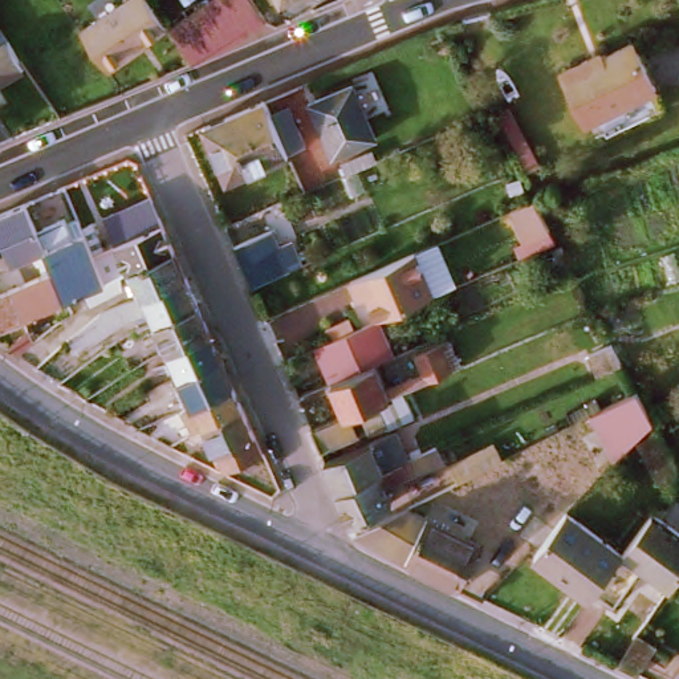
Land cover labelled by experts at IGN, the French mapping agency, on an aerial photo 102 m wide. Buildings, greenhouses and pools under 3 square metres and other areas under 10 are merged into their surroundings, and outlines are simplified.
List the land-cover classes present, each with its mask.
<instances>
[{"label":"herbaceous vegetation","instance_id":"1","mask_svg":"<svg viewBox=\"0 0 679 679\"><path fill-rule=\"evenodd\" d=\"M95 0H0V29L8 45L16 50L19 61L24 64L21 74L5 85L0 106V119L16 133L29 130L45 119H56L77 109L93 106V98L98 95L111 98L130 88H138L141 82L167 77L180 66V53L188 45L175 40L170 29L186 19L180 0H143L154 11V16L167 27V34L154 40L141 58L130 61L125 69L103 74L98 66L90 64L88 53L80 45V32L95 21L90 5ZM576 0H512L507 8L485 16L483 27H472L469 32L443 37L440 29H430L395 48L363 56L353 64L321 69L310 77V90L316 95H326V88H332L334 82L371 69L379 93L387 101V111L371 119V127L379 133L377 143L371 146V156L379 159H385L387 154L414 156L419 149L435 143L440 133H446L454 125V114L485 106L488 101L499 103V119L515 117L523 138L528 141L538 162L536 172H523L507 133L499 130L493 138L499 154L480 167V178L475 186H432L430 172H422V180L414 183L406 180L398 186H387L379 178L377 164L358 172V183L363 191H374V207H363L353 215L340 217L337 223L350 239V244L329 252L318 241V233H308L305 244V265L292 276L271 281L268 286H263L257 297L265 305V316L271 318L273 313H281L297 302L321 297L324 289L334 292L345 286L350 281L377 273L387 263L401 260L406 255L440 249L454 278V292L443 297L459 318L451 329L443 332L440 340L454 347L464 366L451 371L448 377H440L435 387L414 393L406 401L411 411H438L504 379L525 374L552 358L586 350L610 347V340H652V329H647V313L658 300H645L639 286L629 292H615L613 284H605L602 249L591 241H573L568 225L560 217H554L552 212L541 215L552 236V244L536 255L538 263L565 284L552 294H541V308H536L533 313L515 300L517 260L515 236L504 228V217L512 210H517L512 196H507V183H523V194L530 202L544 191L554 194L562 204L578 202L586 191L584 186H578L570 175L581 170L586 156L594 164H613L621 156H634L645 149L679 138V101H666L660 106V114L655 119L615 138H584L576 122L565 114V98L557 82L560 74L586 61H597L599 56H613L621 48H631L637 37H642V21L668 16V5L663 0H578L584 5V16L591 34H602V42L594 50H586L576 19L570 13V5ZM191 149L186 151V159L196 156L207 178V186L215 194L220 212L228 223H236L273 204H281L284 217L292 223L342 207L347 199L340 175L332 172H324L308 188H300L292 164L265 172L255 183L225 191L212 170V162L199 135L188 138ZM95 199H122L127 210L141 202V191L130 170L114 167L103 172V180L90 183ZM69 194L80 225L93 223L82 191L74 188ZM66 387L85 395L90 403L111 411L114 416H122V411L127 408H138L149 401V395L156 387L141 358H127L122 347L111 345V350H106L103 358H95L85 371L74 374ZM584 371V369L578 363L565 366L536 382H528L504 395L483 401L467 411H459L448 419L427 424L416 432L419 448H438L448 467L483 448H496L499 456L507 459H515L530 446L573 427L578 416H597L599 411L621 401L634 398L631 382L621 369L613 377H594L586 387L552 398L538 408L515 416L517 430H493L483 435L477 424L499 416L501 406L523 401L549 385H557ZM650 432L615 464L621 475L629 480L623 499L610 501L591 491L573 507L570 517L581 520L607 544L626 552L639 525L647 517L658 515L666 501L655 491V483H660L663 477L666 459H674L679 467V387L671 393V401L652 406L647 414ZM0 509L19 515L32 525L56 530L66 541L88 549L93 557L109 565L141 573L149 581L162 578L175 589L178 597L210 607L257 631L260 637L284 645L292 652L321 658L326 666L345 668L353 679H525L469 650L446 645L411 623H403L382 613L379 607H371L345 591H337L265 554L244 549L210 528H202L135 493L122 491L119 485L82 467L80 462L32 438L21 424L0 414ZM517 576L501 586L496 607H504L533 623H546L560 602V591L530 568H515ZM642 639L658 652H663L668 660L679 655V589L671 599H666L658 607V613L642 634ZM637 615L629 613L621 621H602L586 637L584 650L586 655L602 658L613 666L623 658L629 647ZM0 679H72L69 668L53 674L42 663L32 668L13 666L11 660L0 658Z\"/></svg>","mask_w":679,"mask_h":679},{"label":"impervious surface","instance_id":"2","mask_svg":"<svg viewBox=\"0 0 679 679\"><path fill-rule=\"evenodd\" d=\"M263 21H268L257 34L263 42H255L196 69H188L180 61V66L167 77L141 82L138 88H130L111 98L98 95L93 98V106L77 109L56 119H45L29 130L16 133L21 146L0 154V215L13 212L29 204L32 199H40L66 183H72L74 188L82 191L93 223L103 217L101 212L111 207V199H95L90 183L103 180V172L114 167L130 170L141 191L149 188L154 207L170 233V244L188 268V278L196 286L207 324H223L239 347L241 366L255 371L233 393L249 414V422L263 448L273 451V456L255 467L239 464V472L231 477L210 475L212 459L204 451L180 443V438L164 422H156L154 414L143 416L138 408H127L122 411V416H114L111 411L90 403L85 395L66 387L74 374L85 371L95 358H103L106 350H111V345L122 347L133 340H143L151 329L127 305V284L122 278H111L95 294L85 297L80 302L77 318L56 321L53 316H45L27 329L0 337V414L21 424L32 438L80 462L82 467L119 485L122 491L135 493L202 528H210L244 549L265 554L337 591H345L371 607H379L382 613L403 623H411L446 645L469 650L525 679H615L610 676L613 666L602 658L586 655L584 650L586 637L602 621L594 610H581L576 605L570 610L560 602L546 623H533L504 607H496L501 586L517 576L515 568H530L533 554L546 557L552 552V544L565 528V523L584 538H591V544H597L599 549H605L618 565H623L626 552L607 544L581 520L570 517L573 507L591 491L594 480L615 464L650 432L647 414L642 403L634 398L621 401L599 411L597 416H578L573 427L530 446L515 459H507L512 464V477H501L483 488L464 483L435 501L416 507L411 504L414 517L424 523V528L438 525L459 536L477 533L485 546H493L496 562L475 578H464L459 602L443 594L440 589H432L411 578L408 573L350 544L342 528V517L340 512H334L329 491L321 483L329 464L316 448V440L324 438L321 427H329L334 422V411L324 393V377L318 371L316 355L324 345L332 342L329 334L337 324H350V329H355L363 324L358 310L347 300L345 286L334 292L324 289L321 297L297 302L281 313H273L271 318L265 316V305L257 297L249 294L244 273L236 263V252L241 249L228 239V223L220 212L215 194L207 186V178L196 156L186 159V151L191 149L188 138L199 135H204V127L223 125L225 119L257 103L271 106L289 95H302L305 103H316V95L310 90V77L321 69L353 64L363 56L395 48L430 29H440L443 37L469 32L472 27H483L485 16L507 8L512 0H347L342 5V13L310 19L302 29L286 24L284 13L273 11V0H252ZM570 13L576 19L586 50H594L602 42V34H591L584 16V5L578 0H576L570 5ZM645 72L658 93L660 106L666 101H679V48L655 53L645 64ZM374 191H363L347 199L342 207L292 223L294 239L305 244L308 233H318L321 228L337 223L340 217L353 215L363 207H374ZM578 363L584 369L591 363V355L586 350L552 358L525 374L504 379L438 411H411L406 424L416 432L427 424L448 419L459 411H467L483 401L504 395L528 382H536L565 366ZM156 387H162L170 379L164 371L167 361L156 353H143L141 358Z\"/></svg>","mask_w":679,"mask_h":679},{"label":"building","instance_id":"3","mask_svg":"<svg viewBox=\"0 0 679 679\"><path fill-rule=\"evenodd\" d=\"M95 21L80 32V45L88 53L90 64L98 66L103 74L125 69L130 61L141 58L154 40L167 34V27L154 16V11L143 0H95L90 5ZM186 19L170 29L175 40L188 45L180 53V61L188 69H196L255 42H263L257 34L268 21H263L252 0H180ZM347 0H273V11L284 13L286 24L302 29L310 19L342 13V5ZM24 64L19 61L16 50L8 45L0 29V106L5 85L21 74ZM557 82L565 98V114L576 122L584 138H615L655 119L660 114V106L658 93L645 72V64L631 48H621L613 56H599L597 61H586L560 74ZM387 111V101L379 93L371 69L334 82L332 88H326V95H316V103H305L302 95H289L271 106L257 103L225 119L223 125L204 127V135H199L212 162V170L225 191L255 183L265 172L292 164L300 188H308L324 172H332L340 175L347 199L363 191L358 183V172L377 164L379 159L371 156V146L377 143L379 133L371 127V119ZM499 130L507 133L523 172H536L538 162L528 141L523 138L515 117L499 119ZM21 146L16 133L0 119V154ZM74 188L72 183H66L40 199H32L29 204L13 212L0 215V337L27 329L45 316H53L56 321L77 318L80 302L85 297L95 294L111 278H122L127 284V305L151 329L143 340H133L122 347L127 358H141L143 353H156L167 361L164 371L170 379L162 387H156L149 395V401L138 408L143 416L154 414L156 422H164L180 438V443L204 451L212 459L210 475L231 477L239 472V464L255 467L273 456V451L263 448L249 422V414L233 393L255 371L241 366L239 347L223 324H207L196 286L188 278V268L170 244V233L154 207L149 188L141 191V202L127 210L122 199H111V207L101 212L103 217L93 223L80 225L69 194ZM523 194V183H507V196H512ZM228 239L241 249L236 252V263L244 273L249 294L257 297L263 286H268L271 281L292 276L305 265V244L294 239L292 223L284 217L281 204H273L236 223H228ZM504 228L515 236L517 260L536 255L552 244V236L541 215L533 204L517 210H512L504 217ZM347 300L358 310L363 324L355 329H350V324H337L329 334L332 342L324 345L316 355L318 371L324 377V393L334 411V422L329 427H321L324 438L316 440V448L329 464L321 483L329 491L334 512H340L342 517V528L350 544L408 573L411 578L432 589H440L443 594L459 602L464 578H475L496 562L493 546H485L477 533L459 536L438 525L424 528V523L414 517L411 504L416 507L435 501L464 483L483 488L501 477H512V464L507 459L499 456L496 448H483L448 467L438 448H419L416 432L406 424L411 411L406 401L414 393L435 387L440 377H448L451 371L464 366L454 347L440 340H416L406 318L427 302H432V297H443L454 292V278L440 249L406 255L401 260L387 263L377 273L350 281L345 286ZM666 284L679 281V268L674 257H660ZM591 355V363L584 369V371L594 377H613L621 369L615 350L610 347L586 350ZM560 591V602L570 610L576 605L581 610H594L602 621H621L629 613L637 615L629 647L623 658L613 666L610 676L615 679H679V655L668 660L663 652H658L642 639V634L658 613V607L666 599H671L679 589V504L666 501L658 515L647 517L639 525L626 552L623 565H618L605 549H599L597 544H591V538H584L565 523V528L552 544V552L546 557L533 554L530 568Z\"/></svg>","mask_w":679,"mask_h":679},{"label":"pervious surface","instance_id":"4","mask_svg":"<svg viewBox=\"0 0 679 679\"><path fill-rule=\"evenodd\" d=\"M0 658L11 660L13 666L32 668L42 663L53 674L69 668L72 679H353L345 668L326 666L321 658L292 652L284 645L260 637L257 631L210 607L178 597L175 589L162 578L149 581L141 573L109 565L93 557L88 549L66 541L56 530L32 525L19 515L0 509Z\"/></svg>","mask_w":679,"mask_h":679},{"label":"agricultural land","instance_id":"5","mask_svg":"<svg viewBox=\"0 0 679 679\"><path fill-rule=\"evenodd\" d=\"M586 191L578 202L589 210L597 225L591 241L602 249L605 284H613L615 292H629L639 286L645 300H658L647 313V329H652V340H610V347L615 350L621 369L631 382L634 398L642 403L647 414L652 406L671 401V393L679 387V281L666 284L660 257H674L679 268V149L666 151L639 167H623L594 175L584 186Z\"/></svg>","mask_w":679,"mask_h":679},{"label":"deciduous trees","instance_id":"6","mask_svg":"<svg viewBox=\"0 0 679 679\"><path fill-rule=\"evenodd\" d=\"M499 130V103L488 101L485 106L454 114V125L446 133H440L435 143L419 149L414 156L387 154L385 159H379L377 164L379 178L387 186H398L406 180L414 183L422 180V172H430L432 186H475L480 178V167L499 154L493 138ZM517 210L533 204L541 215L552 212L554 217H560L568 225L573 241H591L597 225L589 210L578 202L562 204L554 194L544 191L530 202L523 194L512 196ZM318 241L329 252L350 244V239L337 223L321 228L318 233ZM565 284L538 263L536 255L517 260L515 300L533 313L536 308H541V294H552ZM459 318L443 297H432V302H427L406 318L416 340H440L443 332L451 329ZM655 491L666 501L679 504V467L674 459H666L663 477L660 483H655ZM629 480L621 475L615 464L594 480L591 491L610 501L623 499Z\"/></svg>","mask_w":679,"mask_h":679},{"label":"brushwood","instance_id":"7","mask_svg":"<svg viewBox=\"0 0 679 679\"><path fill-rule=\"evenodd\" d=\"M668 5V16L642 21V37H637L631 48L645 64L655 53L679 48V0H663ZM679 149V138L645 149L634 156H621L613 164H594L586 156L581 170L570 175L578 186H584L594 175L623 167H639L666 151ZM594 377L584 371L557 385H549L523 401L501 406L499 416L477 424L483 435L493 430H517L515 416L538 408L552 398L586 387Z\"/></svg>","mask_w":679,"mask_h":679}]
</instances>
